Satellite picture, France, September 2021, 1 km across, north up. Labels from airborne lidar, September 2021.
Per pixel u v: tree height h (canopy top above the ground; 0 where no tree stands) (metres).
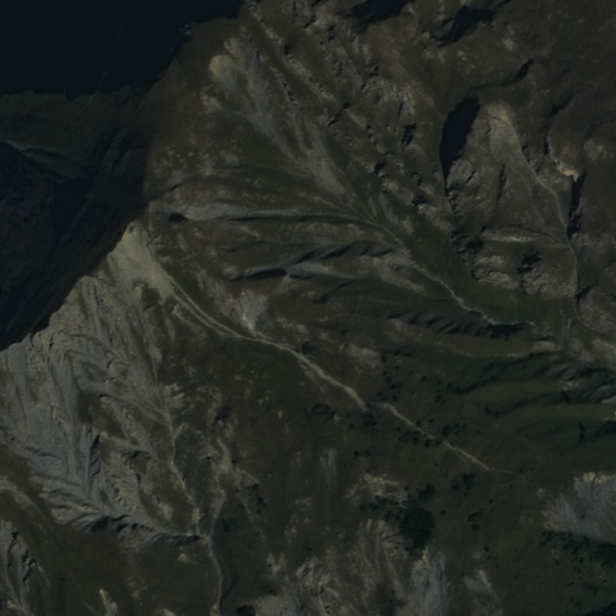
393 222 0
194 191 0
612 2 0
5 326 0
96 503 0
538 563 0
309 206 0
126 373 0
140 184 0
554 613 0
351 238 0
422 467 0
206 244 0
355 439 0
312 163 0
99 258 0
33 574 0
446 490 0
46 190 0
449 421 0
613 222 0
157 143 0
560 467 0
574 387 0
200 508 0
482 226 0
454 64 0
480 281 0
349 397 0
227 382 0
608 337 0
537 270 0
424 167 0
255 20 0
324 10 0
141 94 0
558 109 0
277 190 0
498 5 0
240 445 0
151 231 0
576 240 0
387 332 0
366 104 0
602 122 0
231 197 0
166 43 0
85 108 0
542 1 0
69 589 0
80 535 0
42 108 0
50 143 0
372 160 0
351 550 0
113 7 0
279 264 0
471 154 0
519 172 0
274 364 0
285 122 0
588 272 0
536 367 0
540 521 0
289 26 0
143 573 0
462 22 0
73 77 0
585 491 0
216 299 0
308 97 0
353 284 0
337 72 0
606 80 0
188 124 0
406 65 0
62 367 0
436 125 0
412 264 0
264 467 0
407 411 0
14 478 0
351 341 0
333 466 0
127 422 0
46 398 0
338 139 0
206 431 0
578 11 0
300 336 0
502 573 0
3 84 0
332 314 0
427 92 0
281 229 0
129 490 0
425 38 0
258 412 0
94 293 0
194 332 0
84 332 0
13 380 0
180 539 0
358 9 0
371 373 0
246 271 0
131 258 0
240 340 0
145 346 0
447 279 0
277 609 0
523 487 0
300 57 0
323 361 0
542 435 0
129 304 0
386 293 0
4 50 0
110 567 0
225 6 0
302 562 0
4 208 0
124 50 0
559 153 0
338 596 0
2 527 0
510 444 0
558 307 0
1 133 0
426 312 0
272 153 0
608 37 0
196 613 0
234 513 0
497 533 0
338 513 0
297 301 0
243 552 0
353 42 0
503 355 0
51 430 0
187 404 0
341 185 0
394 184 0
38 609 0
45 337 0
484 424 0
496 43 0
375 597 0
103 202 0
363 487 0
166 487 0
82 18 0
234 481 0
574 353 0
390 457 0
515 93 0
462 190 0
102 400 0
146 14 0
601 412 0
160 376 0
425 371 0
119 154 0
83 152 0
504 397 0
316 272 0
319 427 0
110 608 0
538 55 0
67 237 0
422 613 0
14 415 0
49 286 0
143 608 0
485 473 0
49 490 0
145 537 0
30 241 0
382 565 0
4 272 0
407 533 17
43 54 0
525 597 0
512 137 0
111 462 0
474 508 0
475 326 0
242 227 0
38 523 0
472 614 0
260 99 0
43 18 0
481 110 0
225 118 0
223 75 0
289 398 0
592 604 0
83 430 0
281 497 0
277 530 0
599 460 0
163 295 0
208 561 0
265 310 0
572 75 0
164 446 0
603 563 7
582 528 0
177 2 0
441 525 0
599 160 0
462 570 0
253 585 0
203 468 0
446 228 0
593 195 0
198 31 0
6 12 0
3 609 0
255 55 0
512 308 0
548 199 0
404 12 0
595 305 0
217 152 0
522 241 0
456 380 0
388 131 0
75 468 0
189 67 0
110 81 0
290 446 0
